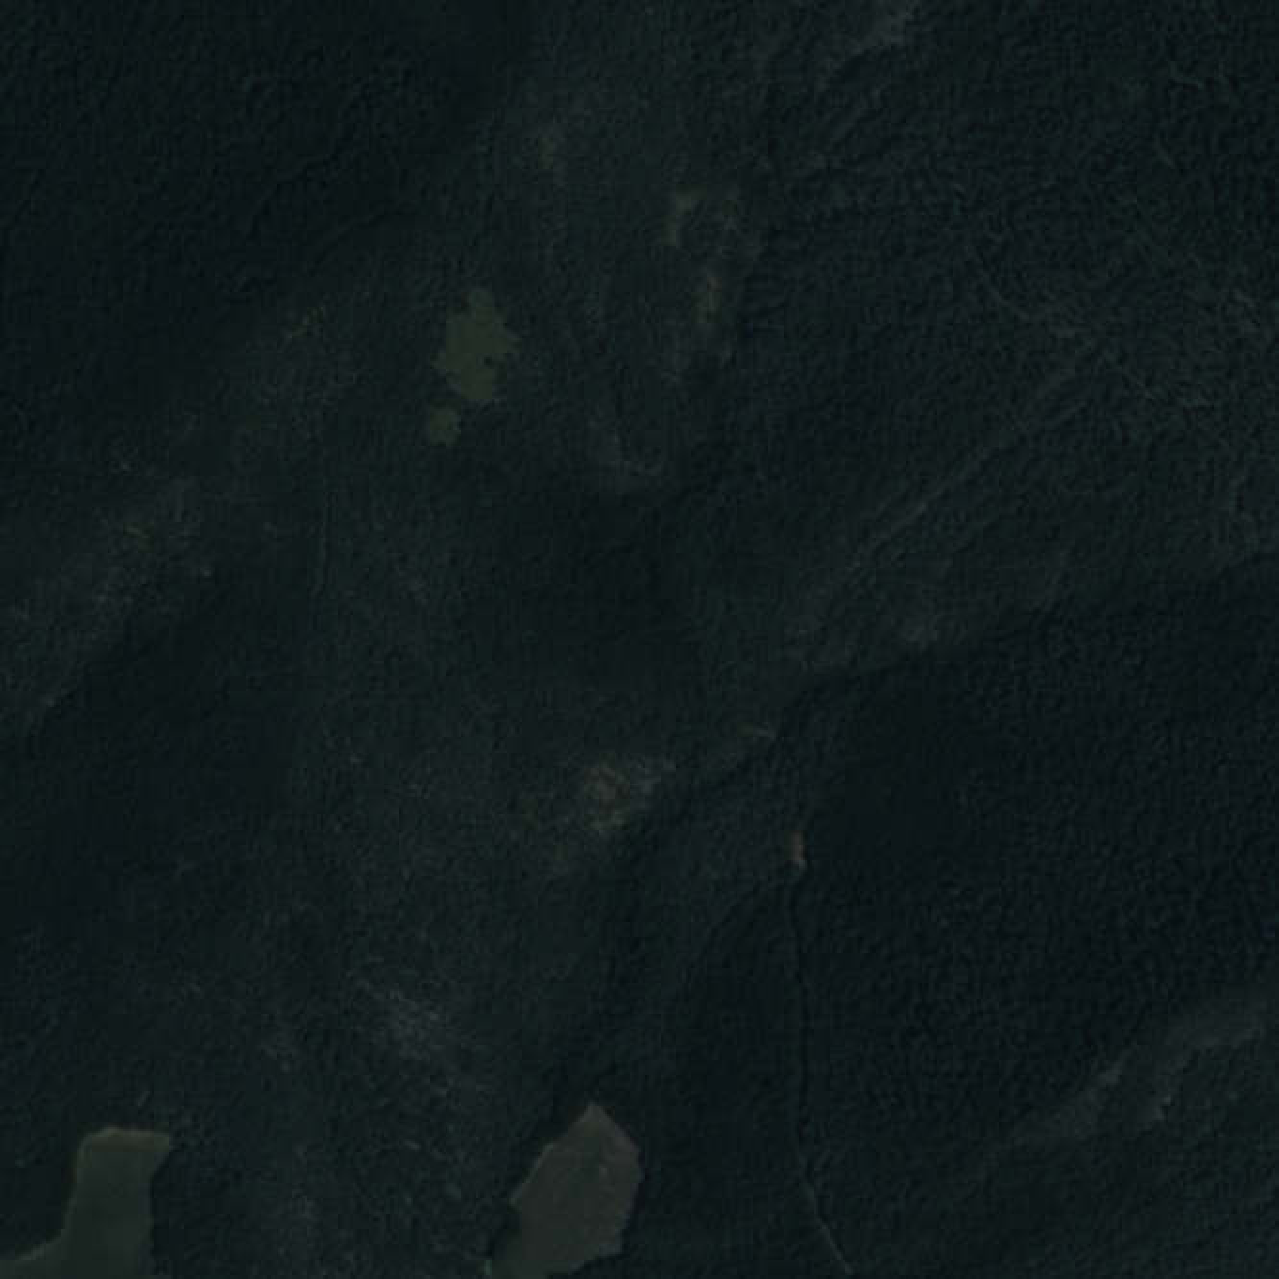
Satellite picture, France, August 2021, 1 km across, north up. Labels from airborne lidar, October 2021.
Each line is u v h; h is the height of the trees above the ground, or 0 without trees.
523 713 10
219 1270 10
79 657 7
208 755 12
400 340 10
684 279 6
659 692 13
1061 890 23
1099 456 15
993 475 14
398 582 7
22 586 6
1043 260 23
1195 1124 15
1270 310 13
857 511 11
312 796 13
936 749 17
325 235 14
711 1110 19
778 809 14
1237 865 24
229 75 22
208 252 22
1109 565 12
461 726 8
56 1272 0
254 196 19
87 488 10
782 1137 20
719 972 19
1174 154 20
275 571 6
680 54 9
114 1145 0
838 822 17
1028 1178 14
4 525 9
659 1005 18
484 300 0
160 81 22
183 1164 10
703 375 11
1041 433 8
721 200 7
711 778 8
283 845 9
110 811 11
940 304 14
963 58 7
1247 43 19
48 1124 9
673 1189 16
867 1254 11
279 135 23
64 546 8
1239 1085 12
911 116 10
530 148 8
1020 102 20
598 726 11
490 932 13
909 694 15
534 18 12
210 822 13
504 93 10
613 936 14
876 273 10
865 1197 14
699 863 12
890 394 13
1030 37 14
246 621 10
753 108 9
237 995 11
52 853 11
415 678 12
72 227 21
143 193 19
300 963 14
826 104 22
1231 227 24
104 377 17
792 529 13
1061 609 13
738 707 6
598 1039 16
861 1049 20
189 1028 10
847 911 21
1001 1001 22
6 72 23
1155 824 28
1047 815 22
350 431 11
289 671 11
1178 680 27
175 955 11
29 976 13
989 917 24
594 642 15
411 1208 13
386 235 14
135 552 7
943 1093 22
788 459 15
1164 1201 17
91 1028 10
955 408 15
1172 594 15
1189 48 28
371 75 22
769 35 8
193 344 13
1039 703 23
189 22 26
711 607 9
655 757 9
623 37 11
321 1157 8
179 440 7
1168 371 21
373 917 13
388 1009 10
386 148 18
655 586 25
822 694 19
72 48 24
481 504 16
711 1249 10
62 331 16
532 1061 13
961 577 12
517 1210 12
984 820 18
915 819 18
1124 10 16
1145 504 19
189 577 7
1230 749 26
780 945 20
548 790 9
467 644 12
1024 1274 7
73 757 10
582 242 8
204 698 15
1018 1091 14
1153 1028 10
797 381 9
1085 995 22
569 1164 0
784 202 11
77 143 24
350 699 6
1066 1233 14
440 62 13
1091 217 12
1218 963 24
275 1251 9
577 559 15
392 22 17
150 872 14
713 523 11
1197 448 22
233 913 11
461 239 11
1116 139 8
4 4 23
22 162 20
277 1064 8
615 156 10
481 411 9
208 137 23
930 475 11
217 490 6
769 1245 14
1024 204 15
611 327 8
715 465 18
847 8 14
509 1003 9
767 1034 21
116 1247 0
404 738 10
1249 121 17
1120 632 26
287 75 21
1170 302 27
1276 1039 11
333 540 8
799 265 17
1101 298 23
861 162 14
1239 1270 10
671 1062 18
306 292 9
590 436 11
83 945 11
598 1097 16
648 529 19
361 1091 26
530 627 14
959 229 18
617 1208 0
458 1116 17
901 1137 17
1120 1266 10
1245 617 24
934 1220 13
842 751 13
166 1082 6
